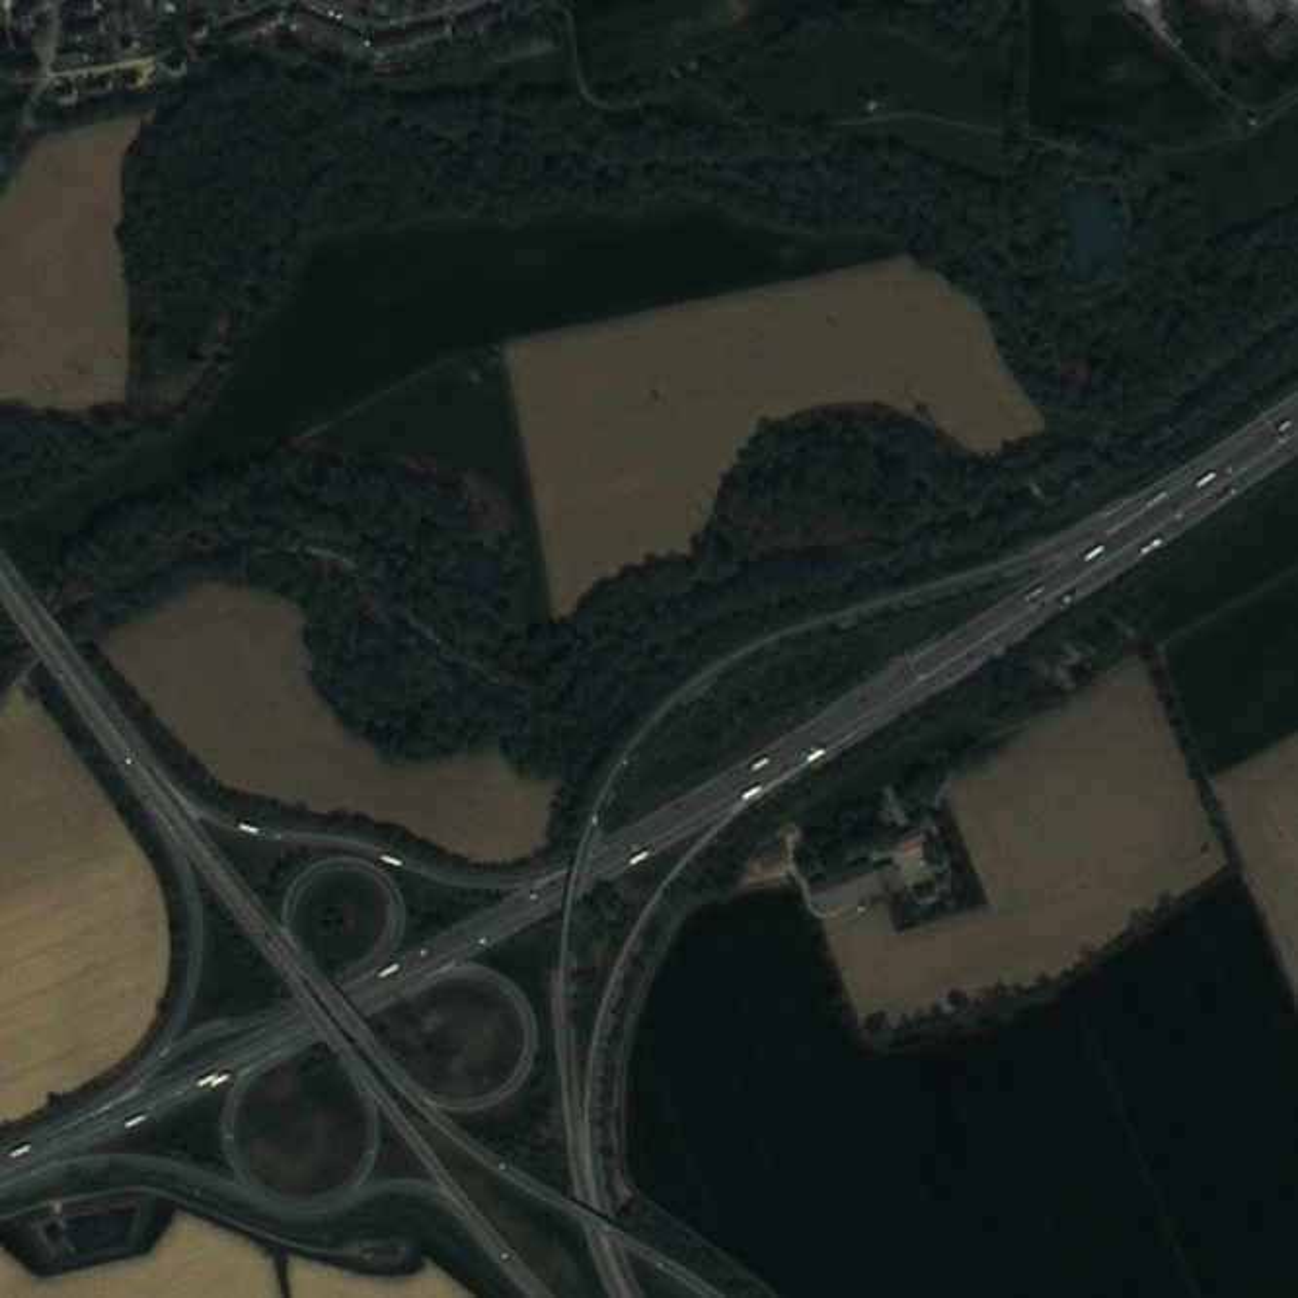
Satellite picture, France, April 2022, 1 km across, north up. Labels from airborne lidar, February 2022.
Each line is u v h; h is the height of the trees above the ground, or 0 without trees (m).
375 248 0
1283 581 0
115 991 0
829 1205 0
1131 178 15
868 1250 0
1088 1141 0
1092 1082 0
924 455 26
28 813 0
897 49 0
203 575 21
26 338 0
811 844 11
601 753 10
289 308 0
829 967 6
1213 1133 0
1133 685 0
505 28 21
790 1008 0
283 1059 0
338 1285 0
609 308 0
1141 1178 0
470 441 0
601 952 0
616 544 0
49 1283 0
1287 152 0
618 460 0
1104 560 0
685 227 0
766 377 0
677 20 0
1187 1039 0
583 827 11
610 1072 12
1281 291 17
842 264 0
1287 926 0
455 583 13
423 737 31
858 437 19
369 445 0
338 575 18
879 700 0
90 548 22
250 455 0
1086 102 0
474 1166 0
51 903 0
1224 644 0
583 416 0
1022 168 8
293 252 25
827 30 17
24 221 0
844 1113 0
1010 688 28
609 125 16
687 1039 0
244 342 6
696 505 0
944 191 16
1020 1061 0
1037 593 0
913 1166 0
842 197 19
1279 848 0
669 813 0
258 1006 0
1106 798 0
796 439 27
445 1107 0
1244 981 0
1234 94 10
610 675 15
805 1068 0
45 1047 0
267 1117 0
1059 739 0
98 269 0
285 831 0
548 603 0
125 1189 0
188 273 27
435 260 0
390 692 21
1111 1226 0
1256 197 0
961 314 0
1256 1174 0
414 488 22
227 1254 0
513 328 0
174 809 0
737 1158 0
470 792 0
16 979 0
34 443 25
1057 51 0
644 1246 0
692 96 0
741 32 0
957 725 0
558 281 0
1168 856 0
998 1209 0
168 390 0
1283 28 0
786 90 0
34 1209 0
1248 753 0
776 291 0
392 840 9
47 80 0
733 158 18
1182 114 0
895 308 0
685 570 20
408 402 0
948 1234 0
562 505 0
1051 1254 0
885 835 19
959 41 17
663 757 8
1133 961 0
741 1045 0
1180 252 15
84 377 0
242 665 0
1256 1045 0
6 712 0
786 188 20
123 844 0
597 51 0
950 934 0
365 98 17
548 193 24
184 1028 0
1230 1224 0
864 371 0
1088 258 0
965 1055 0
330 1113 0
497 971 0
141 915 0
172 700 0
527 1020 0
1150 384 18
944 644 0
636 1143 0
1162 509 0
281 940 0
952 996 0
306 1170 0
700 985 0
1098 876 0
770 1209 0
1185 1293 0
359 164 26
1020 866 0
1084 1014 0
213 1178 0
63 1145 0
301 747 0
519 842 0
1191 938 0
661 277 0
